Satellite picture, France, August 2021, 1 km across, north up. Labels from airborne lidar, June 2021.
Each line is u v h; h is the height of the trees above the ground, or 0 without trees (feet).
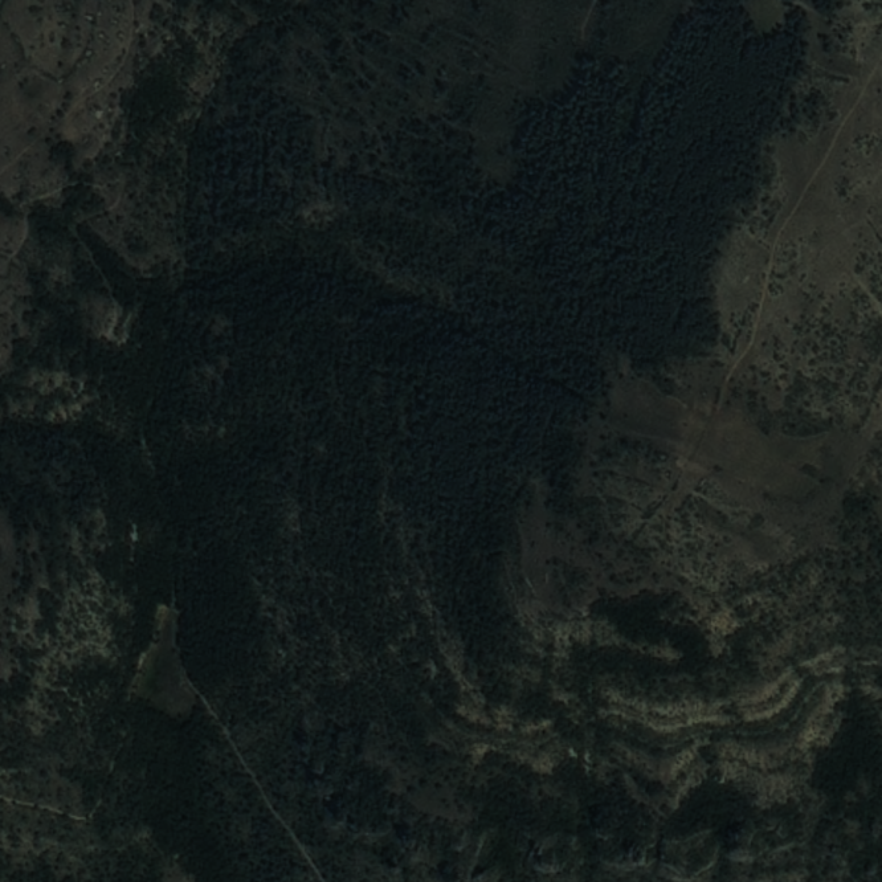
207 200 38
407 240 32
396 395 31
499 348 29
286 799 35
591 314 31
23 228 0
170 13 19
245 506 20
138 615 24
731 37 38
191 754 37
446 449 34
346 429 25
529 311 19
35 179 0
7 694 31
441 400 41
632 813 22
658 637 29
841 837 28
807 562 23
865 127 0
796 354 0
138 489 25
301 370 28
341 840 22
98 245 33
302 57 22
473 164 31
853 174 0
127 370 22
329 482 27
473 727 23
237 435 23
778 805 18
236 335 31
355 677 23
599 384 34
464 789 21
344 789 37
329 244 22
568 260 52
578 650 33
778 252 0
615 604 31
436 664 20
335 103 20
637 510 0
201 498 29
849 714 26
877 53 0
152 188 22
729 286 0
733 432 0
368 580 29
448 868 20
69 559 19
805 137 0
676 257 41
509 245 46
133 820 26
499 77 0
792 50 29
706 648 22
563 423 36
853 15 0
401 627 20
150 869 33
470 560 27
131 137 30
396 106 23
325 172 28
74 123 0
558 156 47
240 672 27
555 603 0
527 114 29
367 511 20
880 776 34
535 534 0
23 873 31
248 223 36
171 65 26
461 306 41
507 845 49
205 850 39
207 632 29
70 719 20
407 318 34
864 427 0
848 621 20
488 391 31
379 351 31
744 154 32
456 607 30
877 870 26
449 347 50
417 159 32
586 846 54
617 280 33
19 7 0
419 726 22
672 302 33
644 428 0
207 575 28
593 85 44
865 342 0
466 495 34
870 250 0
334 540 18
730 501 0
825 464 0
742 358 0
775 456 0
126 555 20
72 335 33
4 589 0
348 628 32
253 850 23
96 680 34
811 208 0
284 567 22
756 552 0
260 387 22
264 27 30
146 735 28
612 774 19
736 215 0
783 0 20
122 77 0
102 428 22
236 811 35
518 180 28
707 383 0
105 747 18
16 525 20
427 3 0
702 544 0
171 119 21
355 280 22
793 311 0
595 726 25
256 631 23
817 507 0
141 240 24
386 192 52
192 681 31
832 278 0
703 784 25
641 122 46
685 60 51
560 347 40
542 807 19
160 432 26
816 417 0
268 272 33
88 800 19
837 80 0
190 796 36
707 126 43
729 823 27
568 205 20
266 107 33
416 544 20
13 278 0
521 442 30
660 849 77
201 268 25
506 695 18
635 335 29
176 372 18
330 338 20
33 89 0
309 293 34
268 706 28
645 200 47
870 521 18
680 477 0
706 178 37
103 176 0
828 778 38
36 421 34
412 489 25
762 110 27
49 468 27
